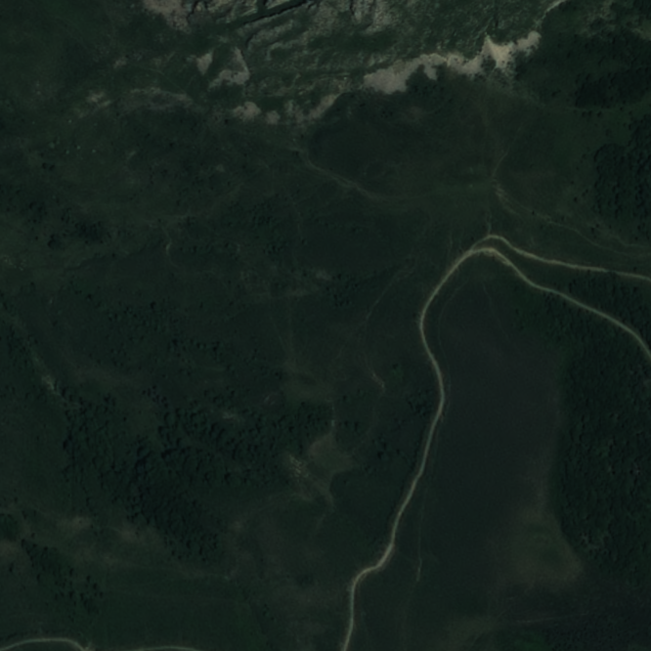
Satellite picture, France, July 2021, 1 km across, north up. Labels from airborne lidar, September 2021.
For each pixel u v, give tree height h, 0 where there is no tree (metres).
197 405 13
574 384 8
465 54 0
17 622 0
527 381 0
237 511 0
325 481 0
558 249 0
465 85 0
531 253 0
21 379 0
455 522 0
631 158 11
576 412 11
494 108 0
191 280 0
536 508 0
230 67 0
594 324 10
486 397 0
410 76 0
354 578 0
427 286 0
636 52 13
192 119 0
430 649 0
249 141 0
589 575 0
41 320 0
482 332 0
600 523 19
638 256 0
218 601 0
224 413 0
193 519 13
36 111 0
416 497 0
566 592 0
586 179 0
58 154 0
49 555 18
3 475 0
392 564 0
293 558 0
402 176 0
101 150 0
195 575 0
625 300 14
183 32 0
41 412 0
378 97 0
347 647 0
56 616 0
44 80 0
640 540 8
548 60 7
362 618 0
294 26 0
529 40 0
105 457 16
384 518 0
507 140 0
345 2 0
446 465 0
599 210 9
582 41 6
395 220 0
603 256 0
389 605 0
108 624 0
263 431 14
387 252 0
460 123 0
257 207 7
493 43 0
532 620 0
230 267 0
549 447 0
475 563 0
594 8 0
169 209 0
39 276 0
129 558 0
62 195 0
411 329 0
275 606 0
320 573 0
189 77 0
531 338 0
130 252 0
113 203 0
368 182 0
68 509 0
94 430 21
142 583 0
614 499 13
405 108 0
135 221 0
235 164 0
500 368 0
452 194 0
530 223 0
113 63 0
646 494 14
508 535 0
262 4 0
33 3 0
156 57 0
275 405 0
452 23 0
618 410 20
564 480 8
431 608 0
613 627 9
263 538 0
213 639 0
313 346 0
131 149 0
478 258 0
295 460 0
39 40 0
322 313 0
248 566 0
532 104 0
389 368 0
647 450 11
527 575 0
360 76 0
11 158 0
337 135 0
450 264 0
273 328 0
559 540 0
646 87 18
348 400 12
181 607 0
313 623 0
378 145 0
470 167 0
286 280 0
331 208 0
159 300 0
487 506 0
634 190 16
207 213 0
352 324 0
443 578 0
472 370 0
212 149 0
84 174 0
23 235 0
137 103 0
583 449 13
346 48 0
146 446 15
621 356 18
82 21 0
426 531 0
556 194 0
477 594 0
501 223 0
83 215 0
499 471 0
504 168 0
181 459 18
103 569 0
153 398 14
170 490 13
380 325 0
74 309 0
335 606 0
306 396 0
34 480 0
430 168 0
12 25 0
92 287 0
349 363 0
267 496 0
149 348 0
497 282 0
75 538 0
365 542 0
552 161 0
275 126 0
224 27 0
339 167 0
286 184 0
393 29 0
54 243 15
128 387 0
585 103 11
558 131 0
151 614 0
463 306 0
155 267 0
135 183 0
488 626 0
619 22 8
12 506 0
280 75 0
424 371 0
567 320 13
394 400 0
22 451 0
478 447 0
